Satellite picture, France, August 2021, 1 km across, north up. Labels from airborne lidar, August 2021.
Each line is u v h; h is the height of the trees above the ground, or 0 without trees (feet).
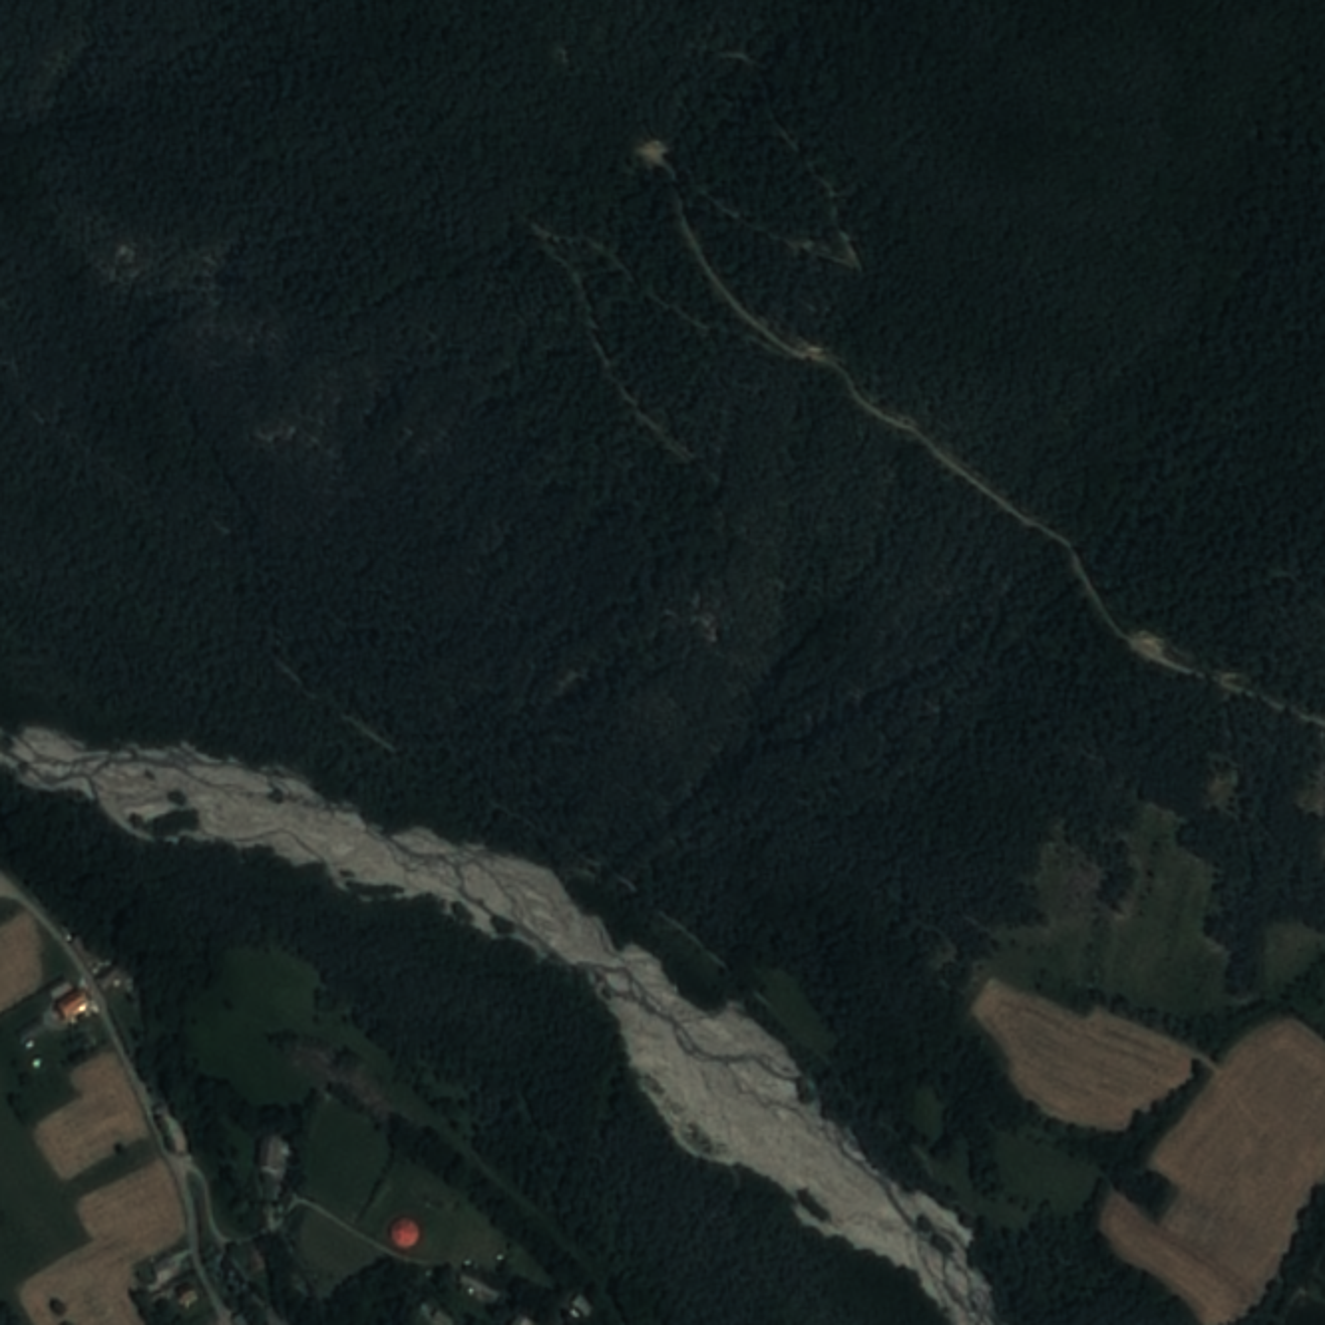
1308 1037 0
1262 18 66
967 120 57
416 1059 24
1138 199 51
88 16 49
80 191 28
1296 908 67
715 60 45
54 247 38
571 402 52
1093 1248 34
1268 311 53
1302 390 51
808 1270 25
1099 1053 0
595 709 77
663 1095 0
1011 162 66
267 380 69
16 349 40
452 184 60
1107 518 48
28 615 25
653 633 35
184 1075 62
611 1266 50
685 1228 36
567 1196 47
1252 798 48
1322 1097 0
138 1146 0
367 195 40
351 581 89
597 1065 35
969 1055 27
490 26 48
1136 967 0
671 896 46
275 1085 0
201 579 45
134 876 56
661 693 39
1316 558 42
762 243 67
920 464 23
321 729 29
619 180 61
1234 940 73
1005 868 52
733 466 53
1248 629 77
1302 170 62
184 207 56
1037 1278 55
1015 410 43
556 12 44
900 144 46
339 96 58
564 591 61
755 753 94
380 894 21
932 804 60
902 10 67
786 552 42
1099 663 75
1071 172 47
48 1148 0
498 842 52
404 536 76
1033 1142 22
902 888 43
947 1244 22
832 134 50
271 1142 0
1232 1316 0
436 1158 70
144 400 47
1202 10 57
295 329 61
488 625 92
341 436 48
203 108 49
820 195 49
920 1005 45
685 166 69
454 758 89
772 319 68
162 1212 0
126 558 28
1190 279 65
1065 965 0
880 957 60
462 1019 26
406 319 40
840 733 71
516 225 62
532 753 86
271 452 46
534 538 45
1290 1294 30
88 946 51
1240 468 77
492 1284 30
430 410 50
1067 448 37
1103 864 42
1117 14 72
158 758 0
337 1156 0
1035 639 37
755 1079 0
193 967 39
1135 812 51
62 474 44
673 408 47
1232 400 48
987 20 61
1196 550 50
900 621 25
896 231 58
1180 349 64
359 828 0
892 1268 25
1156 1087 0
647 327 50
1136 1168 24
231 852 39
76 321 40
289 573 77
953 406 35
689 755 44
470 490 61
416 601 77
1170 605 68
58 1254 0
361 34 65
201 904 43
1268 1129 0
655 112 42
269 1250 52
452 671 77
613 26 33
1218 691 76
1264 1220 0
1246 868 34
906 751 77
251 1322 57
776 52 19
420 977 38
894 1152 36
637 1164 39
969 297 49
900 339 38
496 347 62
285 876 25
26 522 29
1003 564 51
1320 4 41
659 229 50
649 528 72
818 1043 0
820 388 55
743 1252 25
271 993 0
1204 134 50
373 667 91
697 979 22
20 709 29
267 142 59
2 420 37
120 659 40
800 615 56
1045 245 37
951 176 47
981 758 69
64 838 50
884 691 36
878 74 53
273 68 49
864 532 42
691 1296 31
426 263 59
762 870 49
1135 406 71
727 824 68
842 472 32
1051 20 58
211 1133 77
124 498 37
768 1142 0
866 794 50
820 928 70
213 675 44
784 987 0
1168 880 0
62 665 39
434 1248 0
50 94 37
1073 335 44
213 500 47
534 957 31
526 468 56
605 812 80
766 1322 37
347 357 40
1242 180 53
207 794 0
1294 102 55
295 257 61
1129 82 51
